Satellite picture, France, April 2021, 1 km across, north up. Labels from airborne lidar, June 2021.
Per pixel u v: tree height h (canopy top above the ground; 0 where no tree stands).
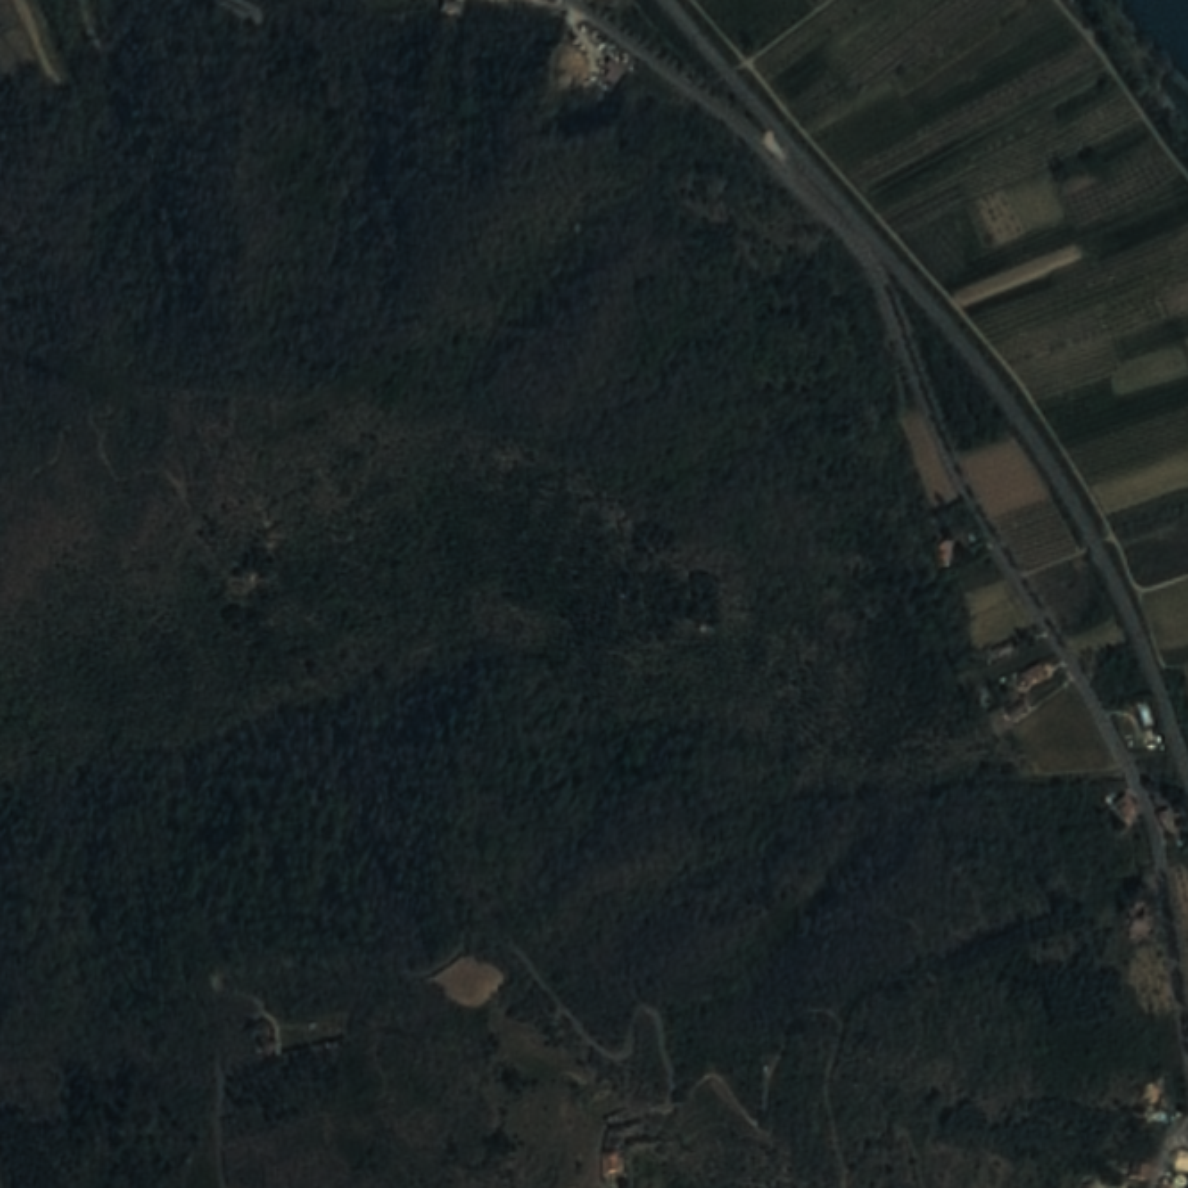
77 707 6
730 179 9
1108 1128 12
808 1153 8
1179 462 0
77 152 10
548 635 7
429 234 12
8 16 0
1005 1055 12
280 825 10
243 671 7
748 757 5
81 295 6
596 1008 9
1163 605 0
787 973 11
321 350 9
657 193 13
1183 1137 0
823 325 12
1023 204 0
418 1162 11
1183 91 0
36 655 6
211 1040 10
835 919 11
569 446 10
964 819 14
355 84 15
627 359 10
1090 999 12
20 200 7
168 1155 6
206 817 7
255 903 7
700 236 11
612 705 10
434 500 11
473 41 13
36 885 13
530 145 11
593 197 6
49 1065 10
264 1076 13
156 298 9
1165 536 0
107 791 11
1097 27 25
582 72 0
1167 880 14
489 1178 9
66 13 15
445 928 15
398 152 10
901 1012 10
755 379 8
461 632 7
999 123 0
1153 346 0
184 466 8
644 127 14
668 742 15
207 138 11
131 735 6
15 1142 13
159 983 8
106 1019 17
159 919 10
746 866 10
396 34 9
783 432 8
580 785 11
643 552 7
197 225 14
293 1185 10
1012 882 7
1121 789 0
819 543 9
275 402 6
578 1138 0
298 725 27
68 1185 7
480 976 0
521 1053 0
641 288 10
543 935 10
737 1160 7
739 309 15
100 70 16
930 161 0
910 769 9
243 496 8
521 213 8
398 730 7
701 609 10
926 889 8
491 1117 11
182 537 6
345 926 14
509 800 8
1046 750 0
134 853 6
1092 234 0
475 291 13
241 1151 8
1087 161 10
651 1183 0
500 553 9
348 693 26
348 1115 0
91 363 7
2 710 8
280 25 10
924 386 14
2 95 15
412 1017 13
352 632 12
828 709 7
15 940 10
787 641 7
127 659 7
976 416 12
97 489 6
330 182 12
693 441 8
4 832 8
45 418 8
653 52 20
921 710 7
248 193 6
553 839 14
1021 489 0
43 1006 14
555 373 11
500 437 6
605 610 7
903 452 9
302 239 9
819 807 17
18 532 7
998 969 9
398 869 18
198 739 11
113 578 6
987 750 7
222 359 7
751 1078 5
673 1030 7
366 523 7
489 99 9
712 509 10
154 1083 16
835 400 10
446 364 10
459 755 10
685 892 14
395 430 9
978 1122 15
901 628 8
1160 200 0
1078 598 0
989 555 7
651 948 11
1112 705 5
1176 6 0
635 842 10
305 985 9
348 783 23
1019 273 0
